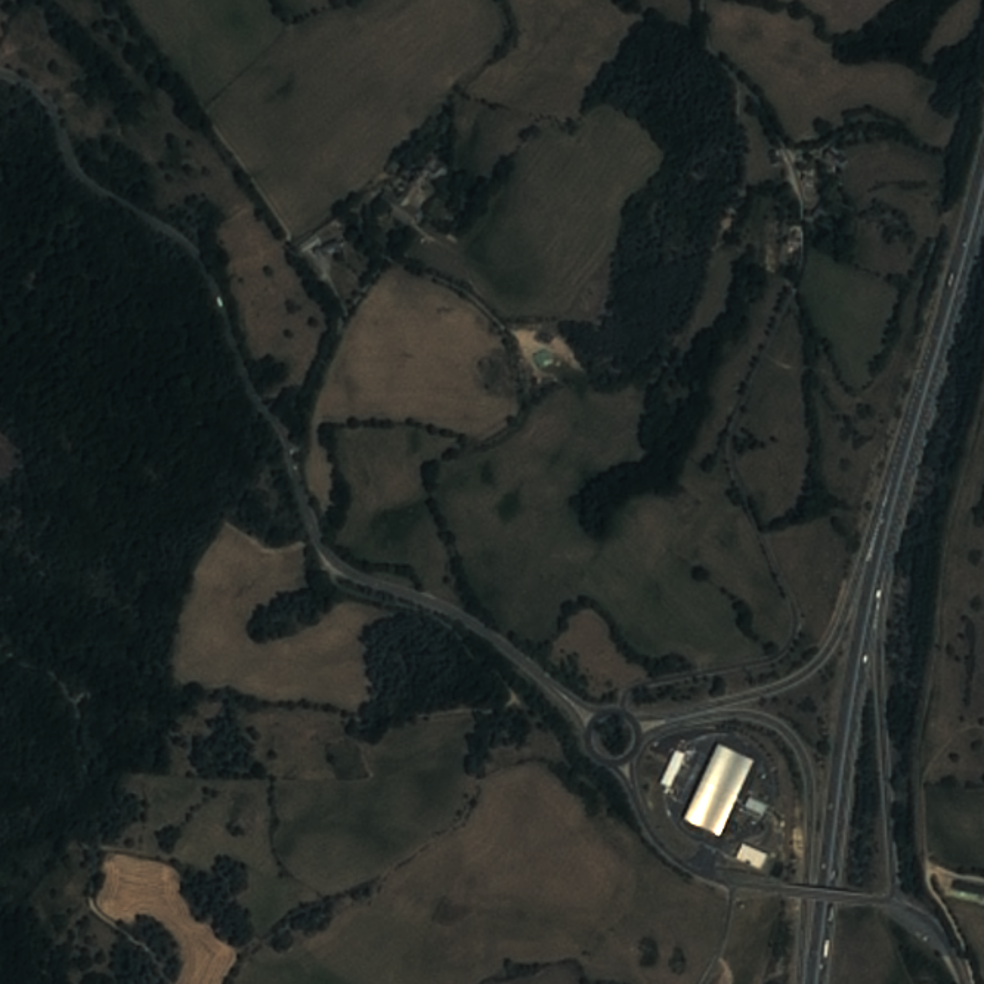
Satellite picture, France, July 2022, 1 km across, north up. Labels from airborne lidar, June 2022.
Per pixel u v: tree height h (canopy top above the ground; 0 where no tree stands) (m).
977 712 0
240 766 21
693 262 13
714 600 0
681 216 11
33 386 18
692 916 0
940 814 0
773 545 0
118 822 13
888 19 16
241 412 15
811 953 0
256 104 0
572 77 0
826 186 12
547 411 0
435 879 0
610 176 0
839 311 0
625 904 0
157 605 20
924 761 0
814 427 9
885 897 0
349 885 0
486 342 0
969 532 0
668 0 0
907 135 11
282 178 0
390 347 0
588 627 0
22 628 12
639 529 0
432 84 0
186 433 16
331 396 0
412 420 8
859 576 0
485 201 21
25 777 10
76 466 11
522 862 0
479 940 0
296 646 0
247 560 0
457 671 10
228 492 15
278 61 0
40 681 11
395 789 0
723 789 0
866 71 0
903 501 0
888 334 9
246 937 16
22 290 15
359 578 0
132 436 20
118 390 8
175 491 17
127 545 15
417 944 0
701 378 24
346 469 0
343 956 0
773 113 9
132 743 9
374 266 15
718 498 0
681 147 18
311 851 0
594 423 0
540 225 0
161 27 0
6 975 16
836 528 7
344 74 0
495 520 0
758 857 0
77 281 15
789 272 11
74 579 14
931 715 0
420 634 17
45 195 17
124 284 17
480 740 9
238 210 0
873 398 0
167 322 19
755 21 0
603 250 0
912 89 0
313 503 12
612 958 0
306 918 12
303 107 0
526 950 0
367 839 0
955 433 12
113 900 0
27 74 10
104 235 19
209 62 0
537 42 0
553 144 0
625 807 14
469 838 0
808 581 0
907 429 0
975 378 10
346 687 0
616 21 0
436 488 12
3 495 11
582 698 8
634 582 0
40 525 10
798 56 0
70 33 27
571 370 0
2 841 10
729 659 0
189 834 0
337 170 0
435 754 0
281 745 0
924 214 0
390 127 0
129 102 18
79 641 15
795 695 0
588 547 0
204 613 0
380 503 0
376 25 0
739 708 0
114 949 10
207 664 0
